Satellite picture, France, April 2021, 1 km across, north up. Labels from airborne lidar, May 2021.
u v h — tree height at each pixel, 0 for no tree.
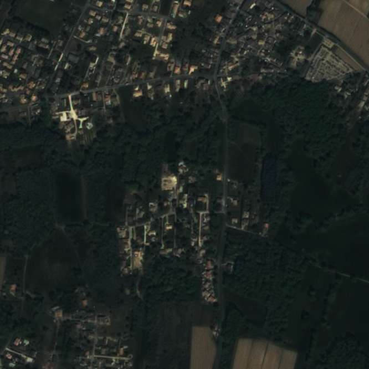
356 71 0
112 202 0
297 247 0
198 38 11
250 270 23
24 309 0
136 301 14
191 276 15
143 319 12
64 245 0
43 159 0
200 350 0
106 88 0
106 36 10
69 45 0
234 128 17
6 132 24
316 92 21
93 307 0
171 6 0
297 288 25
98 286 18
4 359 11
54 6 0
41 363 0
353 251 0
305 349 0
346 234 0
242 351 0
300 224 19
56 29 0
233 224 0
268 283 22
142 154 20
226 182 0
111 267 22
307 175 0
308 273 0
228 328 23
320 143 26
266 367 0
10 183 0
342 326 0
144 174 25
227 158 0
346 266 0
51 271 0
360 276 0
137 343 0
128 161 16
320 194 0
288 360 0
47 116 21
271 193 17
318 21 0
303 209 0
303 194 0
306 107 25
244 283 25
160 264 16
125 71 0
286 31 0
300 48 0
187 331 0
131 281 11
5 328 20
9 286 10
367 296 0
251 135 0
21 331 20
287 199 16
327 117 19
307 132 21
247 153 0
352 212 19
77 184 0
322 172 22
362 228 0
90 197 15
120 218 0
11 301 7
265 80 18
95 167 17
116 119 18
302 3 0
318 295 0
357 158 0
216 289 13
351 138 0
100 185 20
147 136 20
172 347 0
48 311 0
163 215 0
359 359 13
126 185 18
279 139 9
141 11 0
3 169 11
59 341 13
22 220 14
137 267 0
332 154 14
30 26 17
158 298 18
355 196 18
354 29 0
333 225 0
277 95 22
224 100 17
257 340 0
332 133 15
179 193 0
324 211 0
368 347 0
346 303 0
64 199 0
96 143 17
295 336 0
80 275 21
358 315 0
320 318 0
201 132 20
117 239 21
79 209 0
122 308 0
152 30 0
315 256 0
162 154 17
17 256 8
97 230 12
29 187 19
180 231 15
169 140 0
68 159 8
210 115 16
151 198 0
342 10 0
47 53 10
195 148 0
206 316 0
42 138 21
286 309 12
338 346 20
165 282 12
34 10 0
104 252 12
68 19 0
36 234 17
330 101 15
